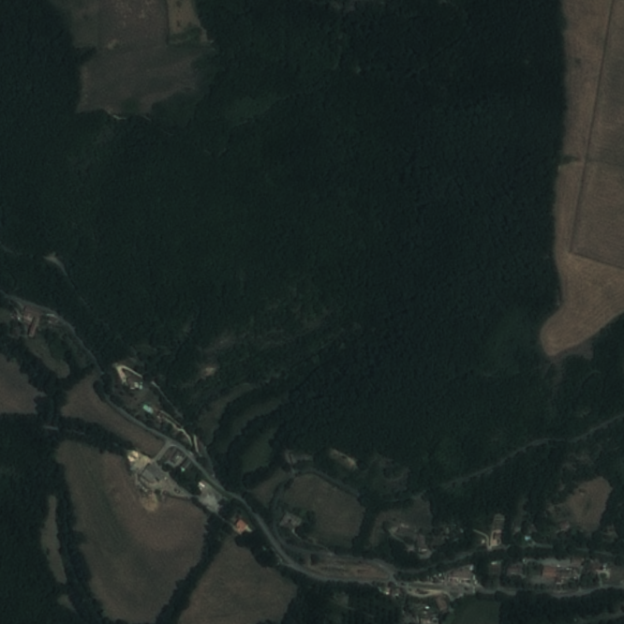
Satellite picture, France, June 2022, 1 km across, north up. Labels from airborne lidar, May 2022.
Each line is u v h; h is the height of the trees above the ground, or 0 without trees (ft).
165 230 43
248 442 69
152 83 0
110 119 28
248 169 44
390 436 54
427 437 41
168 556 0
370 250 54
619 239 0
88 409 0
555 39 31
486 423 50
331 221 50
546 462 55
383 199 64
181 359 36
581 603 34
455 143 70
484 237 65
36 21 53
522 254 54
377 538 0
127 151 55
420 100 73
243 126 41
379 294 76
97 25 0
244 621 0
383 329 85
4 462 35
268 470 51
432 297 64
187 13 0
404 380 65
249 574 0
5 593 48
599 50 0
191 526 0
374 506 42
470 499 33
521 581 21
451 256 77
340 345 38
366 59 94
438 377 63
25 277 46
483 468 26
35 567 71
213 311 52
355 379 95
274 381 53
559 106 38
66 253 39
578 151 0
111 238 52
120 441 53
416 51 93
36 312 0
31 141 48
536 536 51
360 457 48
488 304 59
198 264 53
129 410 30
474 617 0
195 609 0
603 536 38
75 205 30
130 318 50
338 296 42
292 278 31
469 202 62
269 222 59
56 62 51
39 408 49
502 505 50
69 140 38
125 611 0
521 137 59
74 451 0
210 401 49
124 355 49
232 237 40
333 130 58
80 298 34
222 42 53
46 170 32
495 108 68
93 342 49
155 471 0
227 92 43
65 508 47
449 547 45
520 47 27
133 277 41
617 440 35
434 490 46
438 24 45
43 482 96
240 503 24
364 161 75
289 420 67
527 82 25
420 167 82
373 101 86
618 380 48
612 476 42
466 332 55
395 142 92
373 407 58
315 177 66
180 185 43
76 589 111
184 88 0
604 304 0
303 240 56
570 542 30
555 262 24
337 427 47
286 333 30
